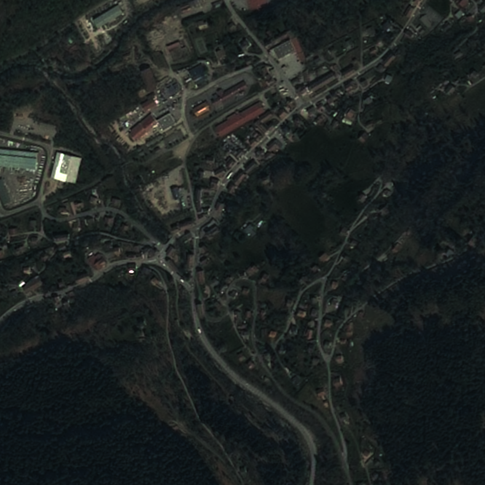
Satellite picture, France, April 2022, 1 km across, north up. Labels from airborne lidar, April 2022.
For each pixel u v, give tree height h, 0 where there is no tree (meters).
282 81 0
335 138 0
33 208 0
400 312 17
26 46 25
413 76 7
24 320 13
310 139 0
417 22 0
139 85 8
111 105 17
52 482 30
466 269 21
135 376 8
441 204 9
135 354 6
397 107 0
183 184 0
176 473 35
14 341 11
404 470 22
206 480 31
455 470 14
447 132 23
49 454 30
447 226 12
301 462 35
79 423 8
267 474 18
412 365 16
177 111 0
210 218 0
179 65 0
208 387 23
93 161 17
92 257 0
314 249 0
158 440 36
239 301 0
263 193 21
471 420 20
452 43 6
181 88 0
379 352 21
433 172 34
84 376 25
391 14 7
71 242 10
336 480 7
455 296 14
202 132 0
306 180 10
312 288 0
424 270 0
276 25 0
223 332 0
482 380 27
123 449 26
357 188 0
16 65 11
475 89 0
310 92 0
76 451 36
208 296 0
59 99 10
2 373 14
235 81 0
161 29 0
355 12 19
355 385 0
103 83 14
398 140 0
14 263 8
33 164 0
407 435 25
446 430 26
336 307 0
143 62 0
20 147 0
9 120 8
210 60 0
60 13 16
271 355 10
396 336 13
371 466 0
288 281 0
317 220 0
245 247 0
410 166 8
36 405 32
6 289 11
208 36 0
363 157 0
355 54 0
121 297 12
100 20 0
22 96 15
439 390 25
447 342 20
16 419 31
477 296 16
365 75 0
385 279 14
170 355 7
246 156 0
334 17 14
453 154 26
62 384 27
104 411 9
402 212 21
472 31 8
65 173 0
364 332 0
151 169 0
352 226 0
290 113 0
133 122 0
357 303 12
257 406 0
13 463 30
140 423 23
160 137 9
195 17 8
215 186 0
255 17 13
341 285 0
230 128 0
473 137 9
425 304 17
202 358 15
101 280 0
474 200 16
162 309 8
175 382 7
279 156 8
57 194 10
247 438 20
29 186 0
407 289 20
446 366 28
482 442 31
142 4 0
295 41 0
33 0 15
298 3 9
